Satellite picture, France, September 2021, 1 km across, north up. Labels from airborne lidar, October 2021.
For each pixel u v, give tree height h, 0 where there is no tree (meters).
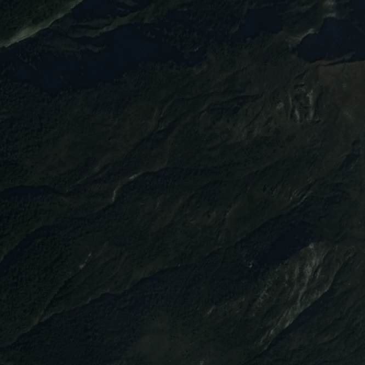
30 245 14
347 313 5
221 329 6
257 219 0
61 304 9
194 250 6
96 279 0
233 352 0
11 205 14
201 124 0
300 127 0
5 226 19
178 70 7
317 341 0
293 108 0
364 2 0
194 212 0
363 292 0
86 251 0
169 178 7
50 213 11
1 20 16
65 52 0
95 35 0
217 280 7
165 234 6
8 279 8
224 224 0
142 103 0
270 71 0
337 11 0
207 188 6
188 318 11
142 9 5
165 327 0
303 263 0
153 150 7
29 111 5
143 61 9
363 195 0
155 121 0
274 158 0
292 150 0
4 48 0
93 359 7
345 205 0
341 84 0
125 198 9
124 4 0
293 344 0
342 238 0
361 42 0
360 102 0
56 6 8
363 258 0
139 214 0
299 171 0
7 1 17
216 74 0
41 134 10
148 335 0
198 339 0
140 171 0
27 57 7
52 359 6
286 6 0
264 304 6
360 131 0
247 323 8
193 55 0
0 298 7
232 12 5
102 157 0
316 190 0
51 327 6
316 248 0
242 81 0
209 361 0
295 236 8
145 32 8
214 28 6
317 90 0
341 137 0
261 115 0
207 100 0
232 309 8
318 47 0
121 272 0
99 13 0
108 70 7
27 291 9
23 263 17
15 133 11
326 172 0
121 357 6
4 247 16
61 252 11
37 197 6
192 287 9
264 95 0
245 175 0
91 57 8
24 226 17
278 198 0
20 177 12
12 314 7
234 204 0
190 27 6
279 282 7
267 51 0
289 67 0
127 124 0
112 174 7
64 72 0
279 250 7
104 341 8
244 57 0
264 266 6
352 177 0
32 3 19
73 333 6
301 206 0
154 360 0
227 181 0
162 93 0
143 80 7
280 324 0
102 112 0
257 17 6
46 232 8
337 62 0
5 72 8
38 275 10
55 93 10
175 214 0
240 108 14
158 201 0
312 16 0
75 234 7
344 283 0
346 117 0
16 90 7
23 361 7
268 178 0
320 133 0
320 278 0
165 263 0
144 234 7
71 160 0
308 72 0
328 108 0
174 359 0
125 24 0
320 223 0
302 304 0
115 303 8
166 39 9
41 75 0
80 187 6
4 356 8
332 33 0
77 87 6
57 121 10
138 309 6
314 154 0
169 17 6
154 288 7
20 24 12
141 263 6
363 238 0
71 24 0
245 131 0
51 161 0
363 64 0
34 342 6
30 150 7
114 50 8
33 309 14
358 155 0
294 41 0
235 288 7
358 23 0
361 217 0
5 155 10
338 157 0
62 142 0
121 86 8
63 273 12
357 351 6
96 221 6
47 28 0
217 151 0
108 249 0
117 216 11
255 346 0
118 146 0
